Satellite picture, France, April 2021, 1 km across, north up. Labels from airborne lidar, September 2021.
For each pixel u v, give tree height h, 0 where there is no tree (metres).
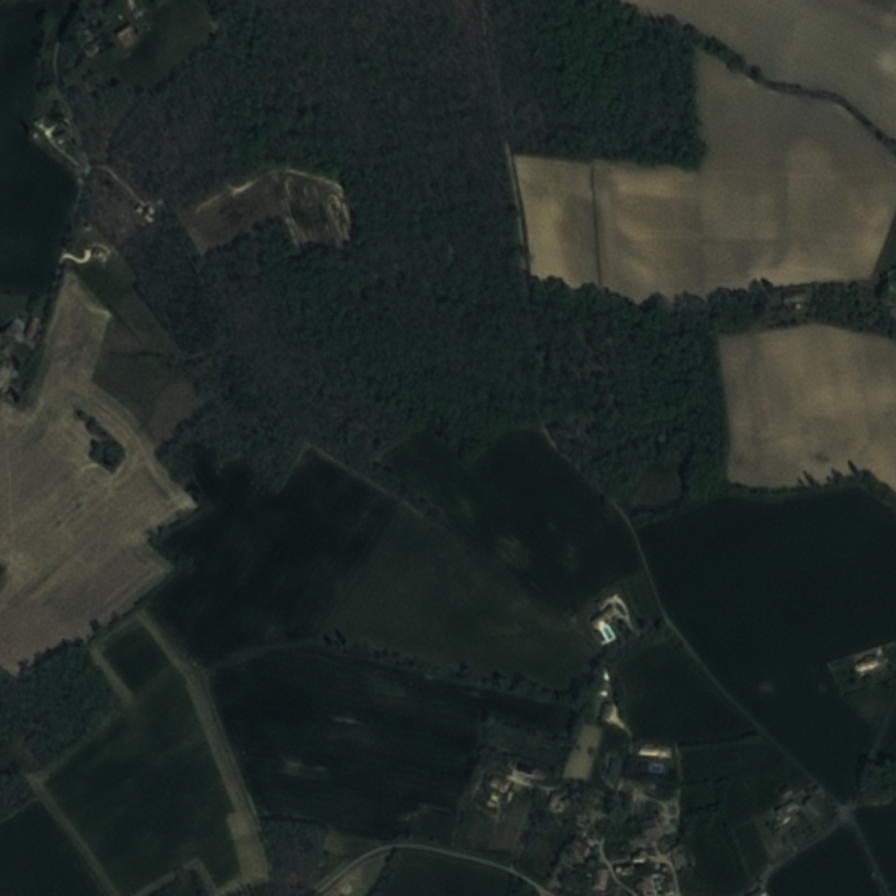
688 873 11
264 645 0
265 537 0
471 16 14
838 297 10
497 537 0
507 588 0
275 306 14
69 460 0
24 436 0
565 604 0
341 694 0
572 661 0
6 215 0
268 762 0
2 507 0
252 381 14
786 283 0
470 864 0
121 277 0
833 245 0
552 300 13
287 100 19
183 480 18
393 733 0
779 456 0
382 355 26
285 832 15
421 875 0
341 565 0
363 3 15
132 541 0
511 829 0
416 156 19
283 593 0
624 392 24
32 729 25
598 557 0
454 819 0
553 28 27
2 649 0
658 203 0
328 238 0
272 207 0
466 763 0
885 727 0
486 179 16
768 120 0
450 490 0
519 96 20
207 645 0
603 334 24
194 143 17
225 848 0
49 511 0
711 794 0
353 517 0
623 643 11
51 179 0
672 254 0
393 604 0
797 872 0
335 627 0
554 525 0
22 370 27
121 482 0
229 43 18
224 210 0
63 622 0
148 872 0
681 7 0
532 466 0
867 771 17
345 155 23
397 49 19
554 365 21
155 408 0
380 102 18
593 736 0
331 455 14
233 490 0
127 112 17
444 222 19
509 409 23
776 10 0
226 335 10
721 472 19
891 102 0
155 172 8
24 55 0
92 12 14
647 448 14
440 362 29
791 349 0
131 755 0
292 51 16
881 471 0
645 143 22
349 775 0
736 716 0
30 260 0
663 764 0
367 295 22
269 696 0
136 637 0
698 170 21
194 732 0
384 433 13
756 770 0
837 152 0
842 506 0
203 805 0
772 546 0
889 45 0
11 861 0
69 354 0
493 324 27
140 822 0
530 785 0
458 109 17
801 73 0
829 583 0
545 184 0
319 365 20
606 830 13
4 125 0
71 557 0
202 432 18
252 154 21
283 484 16
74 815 0
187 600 0
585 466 19
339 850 0
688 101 19
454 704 0
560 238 0
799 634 0
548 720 0
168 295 7
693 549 0
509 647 0
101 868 0
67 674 23
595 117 19
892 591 0
